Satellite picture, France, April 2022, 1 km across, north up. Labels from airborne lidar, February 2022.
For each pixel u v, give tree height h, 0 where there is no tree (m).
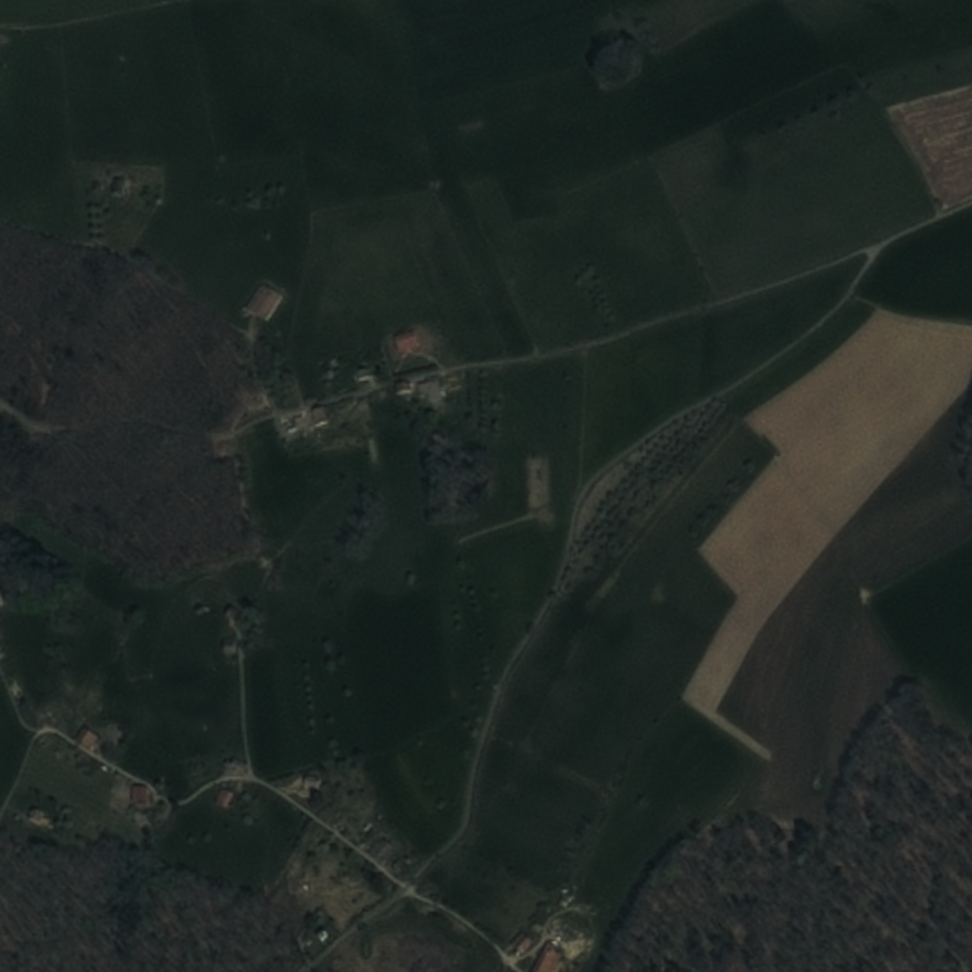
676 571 0
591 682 0
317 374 0
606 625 0
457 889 0
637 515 8
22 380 12
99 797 0
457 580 0
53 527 13
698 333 0
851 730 0
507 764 0
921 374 0
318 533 0
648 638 0
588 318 0
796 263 0
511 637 0
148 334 16
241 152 0
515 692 0
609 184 0
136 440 16
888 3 0
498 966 0
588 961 0
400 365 0
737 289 0
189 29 0
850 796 24
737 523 0
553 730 0
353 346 0
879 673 0
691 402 0
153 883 26
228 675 0
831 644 0
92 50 0
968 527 0
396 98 0
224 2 0
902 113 0
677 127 0
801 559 0
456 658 0
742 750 0
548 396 0
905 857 29
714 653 0
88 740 0
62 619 10
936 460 0
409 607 0
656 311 0
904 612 0
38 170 0
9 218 0
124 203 0
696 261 0
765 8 0
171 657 0
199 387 16
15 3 0
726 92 0
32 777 0
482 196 0
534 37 0
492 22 0
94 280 11
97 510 14
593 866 0
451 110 0
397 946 0
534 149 0
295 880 0
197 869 0
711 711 0
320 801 21
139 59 0
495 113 0
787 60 0
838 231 0
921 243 0
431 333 0
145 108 0
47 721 0
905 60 0
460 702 0
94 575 0
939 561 0
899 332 0
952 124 0
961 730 0
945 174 0
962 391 0
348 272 0
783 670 0
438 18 0
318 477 0
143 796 0
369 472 0
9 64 0
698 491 0
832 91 0
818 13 0
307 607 0
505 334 0
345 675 0
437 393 0
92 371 16
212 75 0
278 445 0
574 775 0
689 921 31
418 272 0
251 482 12
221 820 0
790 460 0
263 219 0
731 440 0
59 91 0
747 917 28
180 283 12
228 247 0
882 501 0
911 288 0
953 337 0
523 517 0
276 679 0
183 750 0
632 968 31
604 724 0
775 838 28
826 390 0
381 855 0
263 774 0
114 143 0
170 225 0
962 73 0
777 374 0
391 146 0
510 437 0
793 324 0
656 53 17
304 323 0
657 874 19
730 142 0
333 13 0
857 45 0
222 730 0
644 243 0
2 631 0
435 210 0
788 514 0
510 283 0
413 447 0
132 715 0
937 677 0
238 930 27
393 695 0
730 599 0
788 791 0
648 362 0
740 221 0
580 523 0
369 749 0
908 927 28
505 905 0
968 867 26
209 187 0
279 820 0
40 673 0
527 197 0
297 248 0
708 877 30
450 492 27
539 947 0
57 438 13
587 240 0
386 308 0
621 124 0
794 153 0
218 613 0
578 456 0
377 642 0
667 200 0
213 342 16
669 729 0
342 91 0
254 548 18
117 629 0
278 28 0
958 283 0
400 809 0
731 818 0
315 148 0
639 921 29
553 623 0
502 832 0
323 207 0
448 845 0
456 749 0
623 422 0
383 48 0
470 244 0
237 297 0
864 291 0
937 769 27
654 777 0
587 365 0
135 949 26
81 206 0
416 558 0
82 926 29
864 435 0
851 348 0
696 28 0
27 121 0
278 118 0
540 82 0
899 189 0
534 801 0
